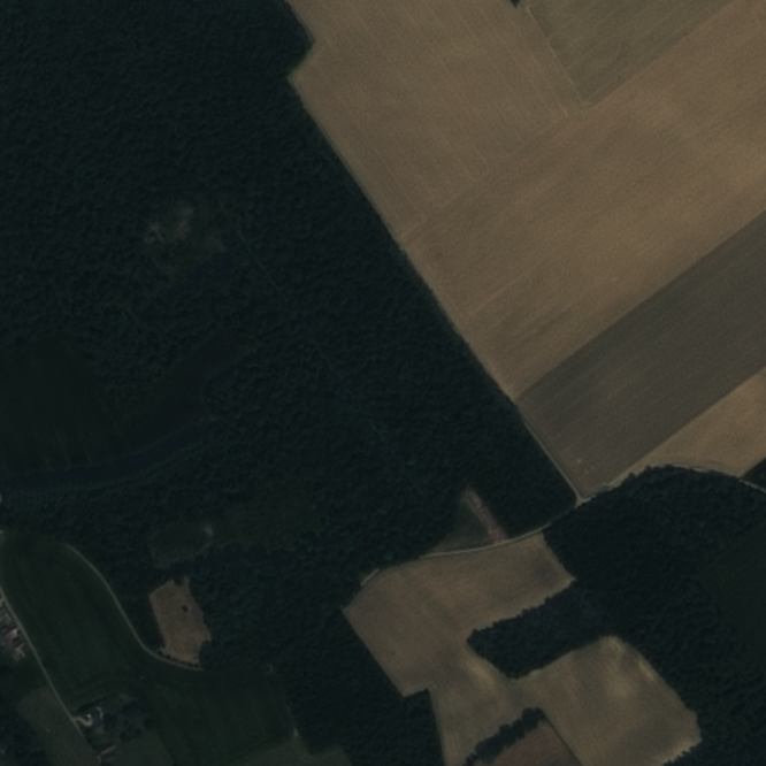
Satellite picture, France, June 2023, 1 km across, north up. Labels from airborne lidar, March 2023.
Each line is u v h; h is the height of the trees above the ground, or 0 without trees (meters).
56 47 22
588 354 0
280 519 0
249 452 19
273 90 20
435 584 0
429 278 0
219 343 0
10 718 6
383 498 23
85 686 0
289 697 10
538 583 0
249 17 20
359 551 24
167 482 24
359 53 0
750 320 0
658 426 0
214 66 22
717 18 0
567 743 0
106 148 16
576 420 0
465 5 0
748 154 0
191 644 0
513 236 0
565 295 0
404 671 0
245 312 21
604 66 0
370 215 22
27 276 19
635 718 0
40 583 0
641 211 0
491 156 0
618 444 0
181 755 0
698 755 18
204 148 25
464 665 0
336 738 12
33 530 11
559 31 0
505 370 0
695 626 25
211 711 0
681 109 0
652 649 16
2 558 0
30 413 0
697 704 14
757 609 0
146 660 0
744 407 0
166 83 23
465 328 0
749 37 0
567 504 8
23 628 0
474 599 0
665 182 0
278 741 0
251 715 0
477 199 0
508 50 0
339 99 0
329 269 20
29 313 14
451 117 0
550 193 0
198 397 0
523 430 14
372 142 0
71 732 0
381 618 0
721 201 0
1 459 0
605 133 0
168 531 0
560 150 0
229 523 0
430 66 0
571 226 0
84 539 9
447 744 0
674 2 0
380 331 24
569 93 0
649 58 0
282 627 21
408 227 0
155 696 0
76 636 0
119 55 23
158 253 0
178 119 23
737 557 0
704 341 0
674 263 0
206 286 21
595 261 0
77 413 0
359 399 21
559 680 0
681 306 0
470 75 0
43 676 0
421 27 0
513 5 0
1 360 0
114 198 22
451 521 14
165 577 10
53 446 0
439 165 0
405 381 23
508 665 13
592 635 18
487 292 0
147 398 0
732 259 0
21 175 20
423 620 0
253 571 27
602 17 0
